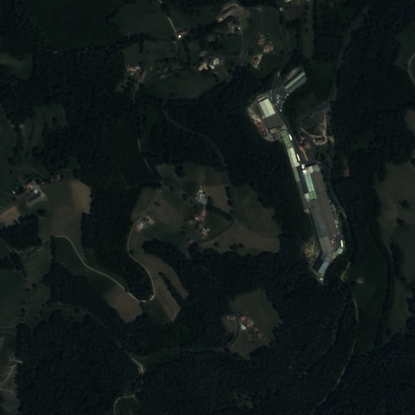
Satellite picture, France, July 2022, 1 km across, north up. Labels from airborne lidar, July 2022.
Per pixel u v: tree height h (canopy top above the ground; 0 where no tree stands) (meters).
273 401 27
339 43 16
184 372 24
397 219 0
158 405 15
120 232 12
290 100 13
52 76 13
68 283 17
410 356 22
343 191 32
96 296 18
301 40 8
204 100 22
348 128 10
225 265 35
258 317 0
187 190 0
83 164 23
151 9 0
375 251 0
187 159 17
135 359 0
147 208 0
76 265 0
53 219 0
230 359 15
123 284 0
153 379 15
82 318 0
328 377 21
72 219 0
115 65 16
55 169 10
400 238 0
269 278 29
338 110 13
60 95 18
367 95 10
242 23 0
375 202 13
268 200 18
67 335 22
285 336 29
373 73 9
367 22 18
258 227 0
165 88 0
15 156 8
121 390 26
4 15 14
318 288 38
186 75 0
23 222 27
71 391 33
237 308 0
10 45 21
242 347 0
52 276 18
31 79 15
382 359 30
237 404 21
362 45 7
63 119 0
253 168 18
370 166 23
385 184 0
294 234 12
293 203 18
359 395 35
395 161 19
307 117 6
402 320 0
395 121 35
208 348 18
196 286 26
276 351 23
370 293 0
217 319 23
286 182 21
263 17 0
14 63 0
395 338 16
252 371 17
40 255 0
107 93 21
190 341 8
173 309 0
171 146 17
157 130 20
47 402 21
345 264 9
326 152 6
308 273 10
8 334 0
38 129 0
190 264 27
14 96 24
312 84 15
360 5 20
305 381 20
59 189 0
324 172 14
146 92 12
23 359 23
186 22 0
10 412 0
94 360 12
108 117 10
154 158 24
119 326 19
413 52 0
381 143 24
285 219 17
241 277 25
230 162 19
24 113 28
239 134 15
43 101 9
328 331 25
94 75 17
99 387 22
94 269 0
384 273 0
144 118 20
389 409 37
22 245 21
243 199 0
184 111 13
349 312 27
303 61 19
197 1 19
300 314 27
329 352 21
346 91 8
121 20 0
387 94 6
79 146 22
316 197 0
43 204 0
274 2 19
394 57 16
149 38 14
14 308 0
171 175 0
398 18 33
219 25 20
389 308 17
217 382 14
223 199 0
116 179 32
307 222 11
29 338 33
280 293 33
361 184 18
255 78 33
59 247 0
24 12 33
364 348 0
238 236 0
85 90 14
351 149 12
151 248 27
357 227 37
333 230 0
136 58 0
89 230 26
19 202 0
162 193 0
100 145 26
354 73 19
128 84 11
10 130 0
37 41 26
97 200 18
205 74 16
